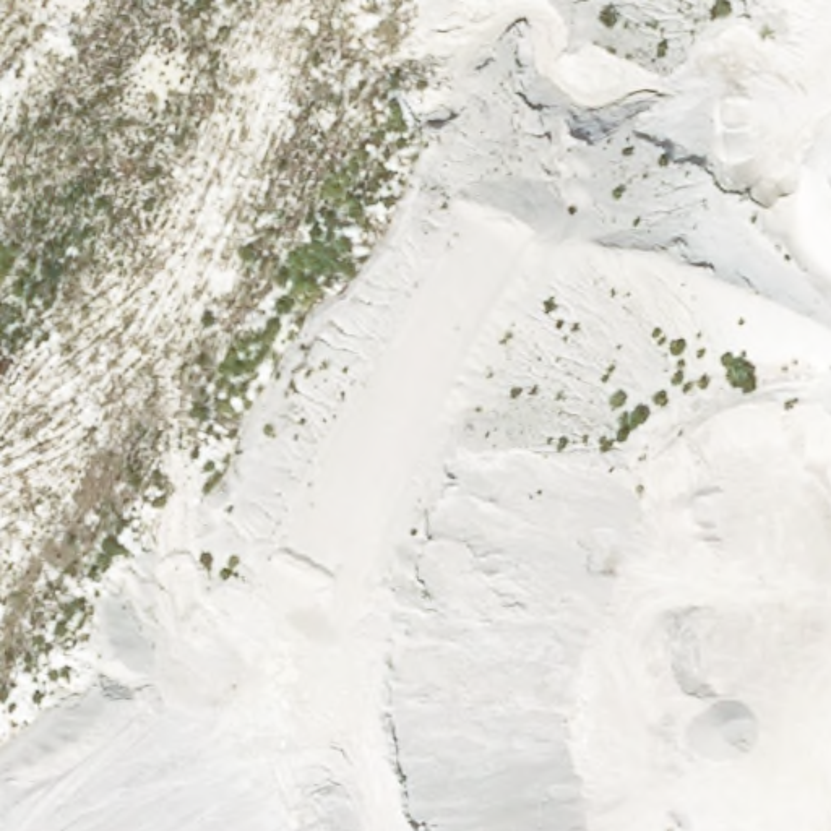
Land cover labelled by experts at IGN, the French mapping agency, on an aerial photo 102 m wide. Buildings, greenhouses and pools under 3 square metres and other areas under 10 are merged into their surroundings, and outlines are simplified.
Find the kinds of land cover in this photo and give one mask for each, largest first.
<instances>
[{"label":"pervious surface","instance_id":"1","mask_svg":"<svg viewBox=\"0 0 831 831\"><path fill-rule=\"evenodd\" d=\"M88 169H110V179L97 185L88 195V208H81V227H94L97 234V269L81 273V292L75 295V302H52V308H45L42 325L49 341H26L13 367L0 373V831H831V0H0V237L6 234L13 217L32 205L36 195H45V188L65 195L68 182H75ZM328 224L338 227V237L351 240L357 276H344L331 289H325V299L315 308L292 305L289 312H279L276 302L289 295L292 282L276 286L273 279H266L260 263L240 260V247L253 240L256 247H263V253L289 260L295 247L312 240V230L328 234ZM269 318L279 321V334L273 341L269 357L253 373H224L221 364L227 357L230 341L247 331H260Z\"/></svg>","mask_w":831,"mask_h":831},{"label":"herbaceous vegetation","instance_id":"2","mask_svg":"<svg viewBox=\"0 0 831 831\"><path fill-rule=\"evenodd\" d=\"M110 179V169H88L75 182H68L65 195L45 188V195H36L32 205L13 217L6 234L0 237V373L13 367L26 341H49L42 325L45 308H52V302H75V295L81 292V273L97 269V234L94 227H81V208H88V195L97 185ZM338 227L328 224V234L312 230V240L295 247L289 260L263 253V247H256L253 240L240 247V260L260 263L266 279H273L276 286L292 282L289 295L276 302L279 312H289L292 305L315 308L325 299V289H331L344 276H357L351 240L338 237ZM279 334V321L269 318L260 331H247L230 341L227 357L221 364L224 373H253L269 357L273 341Z\"/></svg>","mask_w":831,"mask_h":831}]
</instances>
